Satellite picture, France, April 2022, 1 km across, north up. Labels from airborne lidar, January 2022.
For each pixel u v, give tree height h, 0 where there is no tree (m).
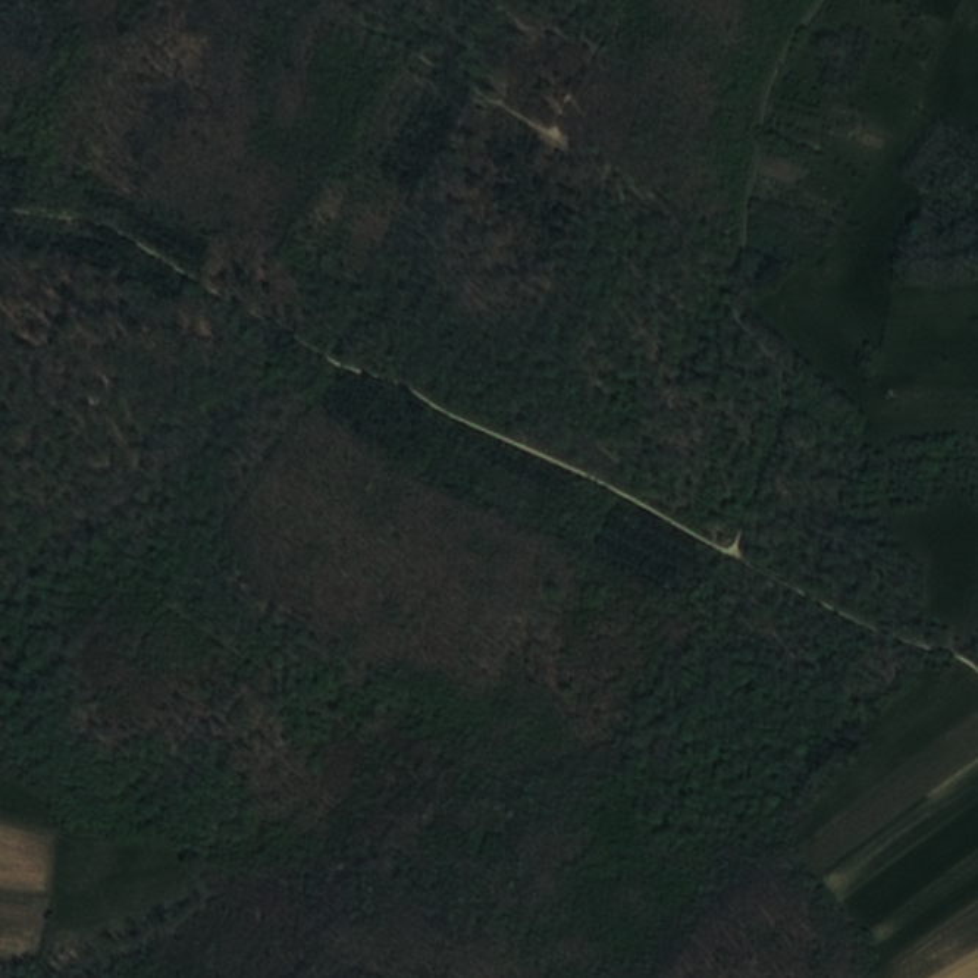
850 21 0
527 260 7
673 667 20
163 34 19
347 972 19
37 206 14
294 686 22
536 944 16
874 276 0
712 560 7
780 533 26
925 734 0
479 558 18
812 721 23
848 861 0
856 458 19
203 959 12
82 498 25
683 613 8
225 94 16
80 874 0
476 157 12
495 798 16
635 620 12
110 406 26
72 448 28
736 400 24
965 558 0
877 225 0
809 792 20
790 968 11
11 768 23
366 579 17
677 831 24
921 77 0
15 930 0
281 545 16
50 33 19
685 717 23
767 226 7
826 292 0
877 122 0
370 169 15
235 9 21
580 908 15
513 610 21
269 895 11
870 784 0
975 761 0
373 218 0
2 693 23
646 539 8
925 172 28
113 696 10
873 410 0
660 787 24
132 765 22
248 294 24
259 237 17
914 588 24
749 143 12
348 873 11
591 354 24
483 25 24
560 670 9
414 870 22
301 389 21
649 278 27
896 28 0
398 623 18
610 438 25
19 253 23
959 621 0
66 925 0
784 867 18
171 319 25
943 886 0
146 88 19
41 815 0
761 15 14
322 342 23
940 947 0
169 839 11
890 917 0
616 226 23
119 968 16
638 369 26
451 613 17
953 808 0
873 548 23
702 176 21
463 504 17
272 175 12
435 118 10
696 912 7
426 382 21
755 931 17
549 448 24
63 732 22
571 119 12
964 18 0
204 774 23
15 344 23
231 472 23
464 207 13
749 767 25
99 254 12
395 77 11
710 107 19
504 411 24
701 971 16
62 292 21
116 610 6
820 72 0
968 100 0
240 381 25
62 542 16
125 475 31
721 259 24
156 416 26
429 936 18
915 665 22
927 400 0
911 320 0
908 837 0
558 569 16
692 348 26
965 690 0
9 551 31
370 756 8
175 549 24
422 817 19
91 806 20
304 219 17
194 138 16
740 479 24
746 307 26
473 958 20
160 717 27
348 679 29
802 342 0
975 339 0
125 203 8
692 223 18
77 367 20
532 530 14
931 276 25
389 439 14
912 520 0
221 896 11
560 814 15
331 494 17
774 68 13
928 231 24
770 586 21
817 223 17
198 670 8
